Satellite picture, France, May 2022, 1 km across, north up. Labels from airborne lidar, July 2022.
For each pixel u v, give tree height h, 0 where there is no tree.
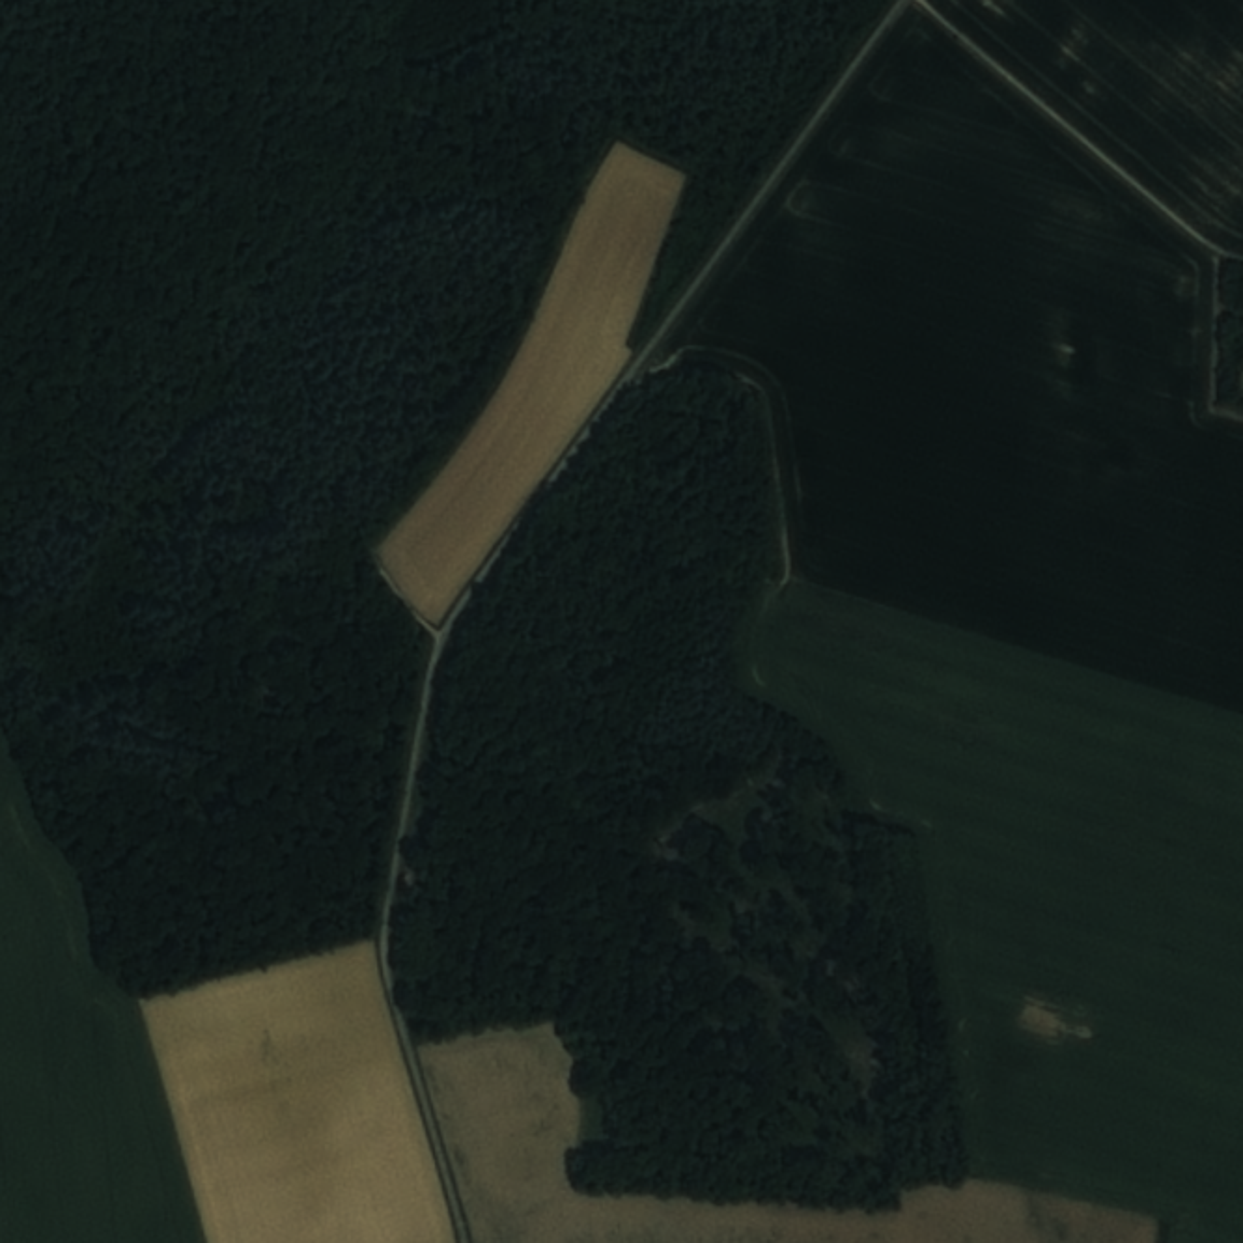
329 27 23
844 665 0
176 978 21
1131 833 0
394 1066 0
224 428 32
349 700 32
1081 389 0
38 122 22
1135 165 0
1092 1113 0
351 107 22
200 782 29
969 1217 0
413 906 20
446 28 10
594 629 15
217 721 26
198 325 23
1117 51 0
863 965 31
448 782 21
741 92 21
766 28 17
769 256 0
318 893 27
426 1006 26
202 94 25
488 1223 0
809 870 30
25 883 0
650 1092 30
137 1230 0
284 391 26
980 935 0
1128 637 0
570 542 26
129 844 20
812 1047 28
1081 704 0
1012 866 0
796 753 20
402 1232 0
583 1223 0
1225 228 0
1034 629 0
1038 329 0
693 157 26
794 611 0
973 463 0
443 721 24
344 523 11
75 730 26
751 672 0
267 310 24
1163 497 0
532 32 22
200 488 28
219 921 30
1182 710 0
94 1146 0
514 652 19
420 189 12
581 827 27
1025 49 0
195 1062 0
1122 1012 0
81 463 31
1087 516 0
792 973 30
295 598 28
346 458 13
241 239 20
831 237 0
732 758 23
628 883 23
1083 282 0
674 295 7
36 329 25
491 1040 0
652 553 25
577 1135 0
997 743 0
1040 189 0
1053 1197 0
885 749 0
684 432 25
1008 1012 0
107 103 22
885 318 0
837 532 0
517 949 29
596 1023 27
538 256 22
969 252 0
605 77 29
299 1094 0
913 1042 18
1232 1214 0
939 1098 31
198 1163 0
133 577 12
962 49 0
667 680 23
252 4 24
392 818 25
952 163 0
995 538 0
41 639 14
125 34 26
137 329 28
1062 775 0
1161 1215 0
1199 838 0
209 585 34
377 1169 0
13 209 25
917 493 0
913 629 0
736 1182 21
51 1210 0
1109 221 0
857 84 0
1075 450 0
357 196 11
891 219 0
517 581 23
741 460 24
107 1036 0
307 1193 0
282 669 30
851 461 0
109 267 24
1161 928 0
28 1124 0
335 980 0
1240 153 0
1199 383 0
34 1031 0
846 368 0
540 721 25
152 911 27
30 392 25
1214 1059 0
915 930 22
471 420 19
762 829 28
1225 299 12
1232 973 0
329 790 31
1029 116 0
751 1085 29
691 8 14
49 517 36
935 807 0
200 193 24
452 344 9
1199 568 0
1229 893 0
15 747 15
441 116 27
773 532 21
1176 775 0
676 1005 25
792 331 0
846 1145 20
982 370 0
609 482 25
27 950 0
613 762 23
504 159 27
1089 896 0
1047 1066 0
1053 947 0
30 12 23
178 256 19
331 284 21
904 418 0
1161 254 0
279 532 32
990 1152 0
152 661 13
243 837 34
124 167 23
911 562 0
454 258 23
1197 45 0
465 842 24
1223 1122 0
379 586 21
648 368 0
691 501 20
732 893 25
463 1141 0
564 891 25
